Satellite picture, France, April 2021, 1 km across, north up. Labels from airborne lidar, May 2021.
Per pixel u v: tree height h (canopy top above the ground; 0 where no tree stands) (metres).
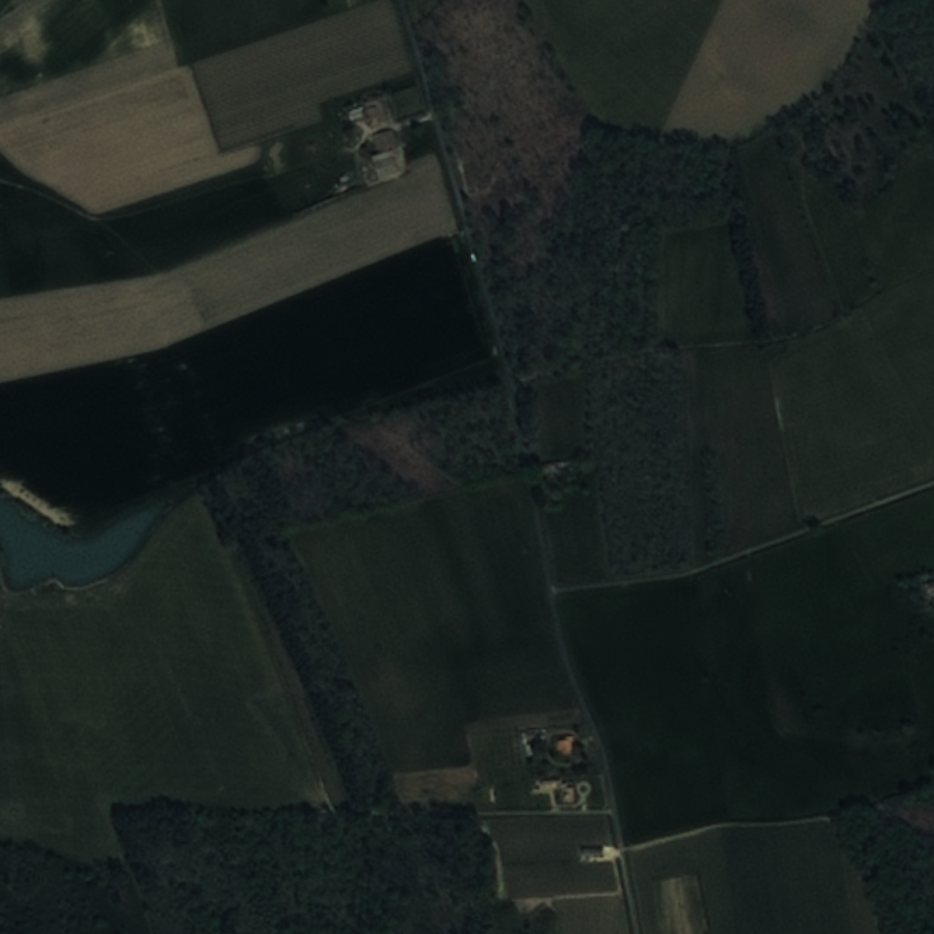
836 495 0
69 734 0
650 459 10
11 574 0
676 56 0
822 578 0
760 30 0
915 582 9
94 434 0
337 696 13
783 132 18
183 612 0
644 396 7
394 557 0
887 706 0
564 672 0
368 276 0
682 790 0
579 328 21
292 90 0
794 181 7
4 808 0
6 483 0
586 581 0
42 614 0
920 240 0
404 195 0
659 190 19
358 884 11
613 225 17
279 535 14
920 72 16
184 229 0
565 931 0
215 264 0
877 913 9
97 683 0
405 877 16
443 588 0
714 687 0
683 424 10
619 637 0
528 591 0
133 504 0
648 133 16
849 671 0
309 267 0
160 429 0
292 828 12
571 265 13
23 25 0
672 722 0
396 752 0
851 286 0
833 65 0
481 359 0
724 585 0
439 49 11
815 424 0
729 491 0
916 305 0
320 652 13
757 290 17
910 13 22
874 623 0
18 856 16
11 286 0
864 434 0
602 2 0
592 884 0
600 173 22
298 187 0
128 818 19
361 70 0
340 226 0
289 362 0
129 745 0
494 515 0
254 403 0
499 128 14
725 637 0
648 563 12
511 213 19
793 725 0
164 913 8
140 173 0
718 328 0
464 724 0
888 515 0
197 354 0
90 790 0
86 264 0
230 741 0
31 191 0
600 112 0
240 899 13
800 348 0
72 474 0
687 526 12
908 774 0
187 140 0
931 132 11
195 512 0
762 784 0
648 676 0
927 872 15
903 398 0
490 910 11
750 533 0
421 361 0
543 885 0
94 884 8
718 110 0
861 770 0
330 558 0
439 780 0
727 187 17
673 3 0
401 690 0
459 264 0
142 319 0
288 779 0
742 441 0
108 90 0
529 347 16
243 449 0
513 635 0
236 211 0
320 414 0
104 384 0
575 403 0
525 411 16
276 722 0
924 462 0
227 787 0
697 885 0
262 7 0
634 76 0
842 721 0
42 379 0
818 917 0
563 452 0
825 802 0
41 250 0
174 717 0
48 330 0
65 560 0
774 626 0
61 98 0
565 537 0
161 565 0
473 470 20
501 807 0
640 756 0
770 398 0
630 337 18
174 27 0
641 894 0
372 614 0
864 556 0
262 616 0
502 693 0
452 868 26
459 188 0
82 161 0
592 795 0
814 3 0
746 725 0
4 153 0
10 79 0
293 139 0
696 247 0
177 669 0
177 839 8
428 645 0
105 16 0
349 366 0
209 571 0
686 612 0
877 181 0
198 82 0
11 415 0
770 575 0
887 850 18
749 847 0
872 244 0
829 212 0
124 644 0
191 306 0
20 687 0
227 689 0
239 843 7
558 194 12
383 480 16
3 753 0
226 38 0
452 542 0
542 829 0
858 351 0
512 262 14
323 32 0
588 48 0
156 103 0
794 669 0
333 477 19
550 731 0
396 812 13
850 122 12
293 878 11
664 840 0
